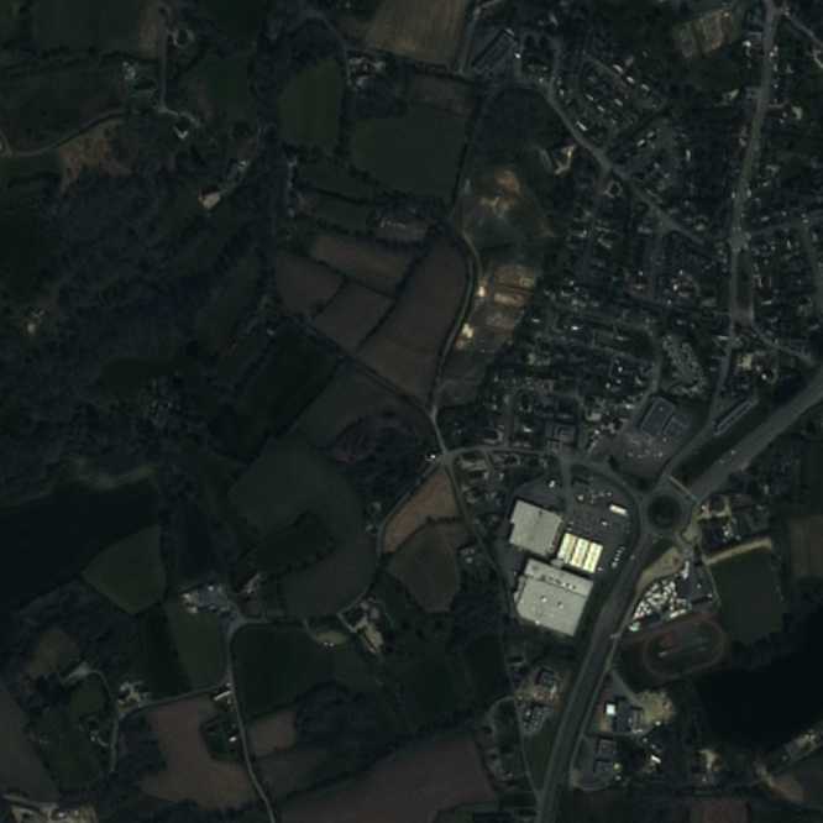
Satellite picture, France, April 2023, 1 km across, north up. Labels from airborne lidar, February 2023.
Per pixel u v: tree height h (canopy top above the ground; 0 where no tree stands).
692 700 9
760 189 0
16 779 0
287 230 7
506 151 12
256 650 0
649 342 0
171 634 0
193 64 7
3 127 0
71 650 0
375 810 0
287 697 0
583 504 0
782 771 0
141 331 19
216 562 0
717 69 0
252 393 0
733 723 0
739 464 0
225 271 18
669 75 10
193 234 16
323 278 0
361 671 0
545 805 0
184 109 16
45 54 9
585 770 0
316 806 0
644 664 0
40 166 0
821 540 0
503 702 0
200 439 7
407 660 0
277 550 0
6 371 10
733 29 0
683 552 0
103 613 7
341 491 0
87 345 20
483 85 14
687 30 0
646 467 0
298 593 0
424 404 0
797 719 0
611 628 0
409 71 9
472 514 0
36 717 12
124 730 7
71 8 0
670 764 15
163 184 16
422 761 0
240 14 0
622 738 0
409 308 0
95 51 8
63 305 16
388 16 0
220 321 0
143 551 0
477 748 8
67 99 0
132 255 21
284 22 20
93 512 0
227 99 0
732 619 0
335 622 10
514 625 11
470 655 0
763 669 0
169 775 0
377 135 0
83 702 0
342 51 13
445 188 0
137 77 0
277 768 0
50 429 15
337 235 11
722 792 16
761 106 0
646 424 0
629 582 0
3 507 0
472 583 10
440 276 0
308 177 0
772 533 10
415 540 0
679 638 0
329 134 0
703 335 0
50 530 0
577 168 11
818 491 0
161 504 0
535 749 0
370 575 0
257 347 0
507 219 0
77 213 7
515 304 0
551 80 0
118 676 10
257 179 16
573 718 0
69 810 9
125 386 0
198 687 0
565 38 16
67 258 14
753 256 0
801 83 6
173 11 10
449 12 0
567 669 0
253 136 8
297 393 0
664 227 0
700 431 0
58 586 9
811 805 0
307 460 0
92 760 0
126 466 6
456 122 0
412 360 0
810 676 0
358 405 0
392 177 0
